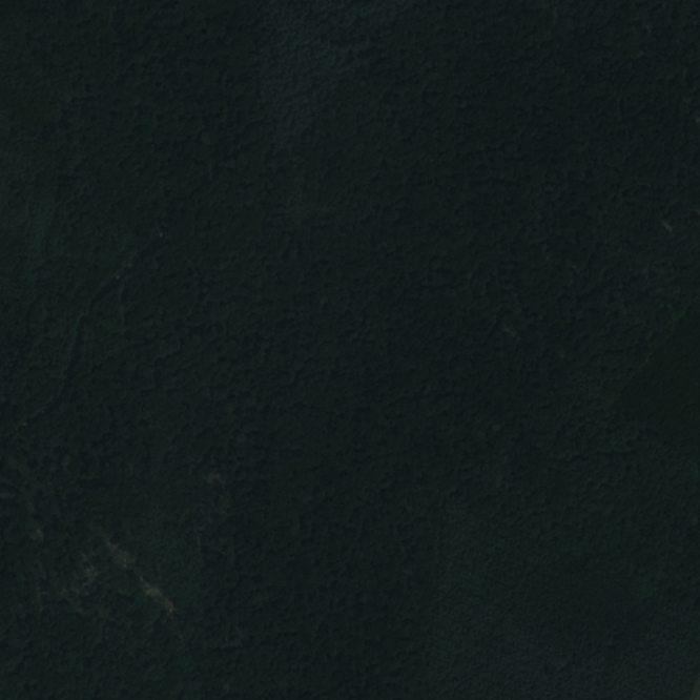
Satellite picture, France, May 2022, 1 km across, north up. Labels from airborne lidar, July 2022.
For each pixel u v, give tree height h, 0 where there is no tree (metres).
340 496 28
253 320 30
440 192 27
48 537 25
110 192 23
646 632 16
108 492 29
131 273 18
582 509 17
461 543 15
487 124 27
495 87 30
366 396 26
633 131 27
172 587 18
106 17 24
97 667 22
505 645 17
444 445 26
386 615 25
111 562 22
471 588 11
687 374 9
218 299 27
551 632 16
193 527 24
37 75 17
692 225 27
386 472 26
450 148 28
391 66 29
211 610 26
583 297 16
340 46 29
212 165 10
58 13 23
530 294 26
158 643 25
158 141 24
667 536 20
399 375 29
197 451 30
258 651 28
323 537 24
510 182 13
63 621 28
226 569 27
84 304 22
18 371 26
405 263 30
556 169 28
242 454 27
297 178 25
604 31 30
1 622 28
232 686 30
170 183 26
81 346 24
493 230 27
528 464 29
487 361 27
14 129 20
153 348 30
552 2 21
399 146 29
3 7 25
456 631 18
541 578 15
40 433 29
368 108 24
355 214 22
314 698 27
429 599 24
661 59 28
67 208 28
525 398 29
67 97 19
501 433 24
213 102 22
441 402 27
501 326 23
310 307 26
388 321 29
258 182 29
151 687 25
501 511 21
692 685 15
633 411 11
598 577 16
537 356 24
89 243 22
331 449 27
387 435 28
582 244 29
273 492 24
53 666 26
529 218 27
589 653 14
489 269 28
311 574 27
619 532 24
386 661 27
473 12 24
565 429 28
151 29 27
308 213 25
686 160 30
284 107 28
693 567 23
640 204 22
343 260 28
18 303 18
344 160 29
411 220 32
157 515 15
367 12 28
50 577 22
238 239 27
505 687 16
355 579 27
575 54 28
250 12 26
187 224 30
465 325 28
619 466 28
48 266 30
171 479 26
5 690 26
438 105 25
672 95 27
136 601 21
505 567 10
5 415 28
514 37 30
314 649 26
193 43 25
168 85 29
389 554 29
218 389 20
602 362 24
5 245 22
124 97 29
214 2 30
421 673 27
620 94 27
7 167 22
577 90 30
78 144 24
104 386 27
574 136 29
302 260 29
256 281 28
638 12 27
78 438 25
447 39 25
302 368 24
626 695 9
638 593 16
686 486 27
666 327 26
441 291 25
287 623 28
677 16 31
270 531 25
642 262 23
